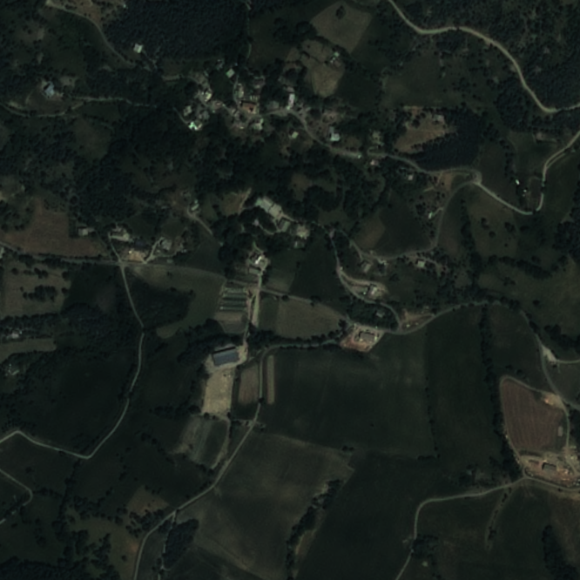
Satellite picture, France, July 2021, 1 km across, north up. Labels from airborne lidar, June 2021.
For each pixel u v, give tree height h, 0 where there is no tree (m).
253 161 27
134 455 0
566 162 0
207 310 0
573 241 16
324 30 0
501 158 0
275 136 12
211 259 0
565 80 9
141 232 0
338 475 0
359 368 0
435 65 0
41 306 0
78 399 0
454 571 0
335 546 0
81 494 0
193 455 0
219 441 0
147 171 12
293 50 0
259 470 0
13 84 14
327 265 0
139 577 0
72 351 8
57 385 0
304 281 0
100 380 0
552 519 0
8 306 0
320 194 18
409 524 0
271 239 8
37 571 18
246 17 19
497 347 0
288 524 0
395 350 0
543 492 0
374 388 0
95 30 0
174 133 11
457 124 19
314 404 0
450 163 17
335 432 0
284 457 0
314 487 0
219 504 0
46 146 7
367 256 0
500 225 0
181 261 10
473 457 0
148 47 10
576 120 9
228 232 16
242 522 0
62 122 7
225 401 0
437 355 0
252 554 0
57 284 0
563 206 0
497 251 0
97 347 8
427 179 14
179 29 19
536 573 0
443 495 0
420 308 10
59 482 0
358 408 0
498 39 8
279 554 0
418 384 0
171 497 0
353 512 0
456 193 0
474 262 18
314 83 0
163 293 0
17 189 0
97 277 0
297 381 0
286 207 8
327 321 0
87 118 6
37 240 0
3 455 0
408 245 0
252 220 10
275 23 8
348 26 0
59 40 7
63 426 0
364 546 0
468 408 0
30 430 8
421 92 0
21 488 0
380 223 0
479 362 0
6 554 0
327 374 0
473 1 7
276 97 15
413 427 0
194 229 7
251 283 0
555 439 0
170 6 16
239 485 0
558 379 0
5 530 0
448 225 0
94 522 0
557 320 0
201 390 0
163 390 0
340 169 13
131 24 10
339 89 0
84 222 9
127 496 0
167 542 9
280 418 0
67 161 10
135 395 13
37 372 7
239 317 0
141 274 0
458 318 0
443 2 13
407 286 0
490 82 10
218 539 0
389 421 0
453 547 0
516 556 0
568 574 11
